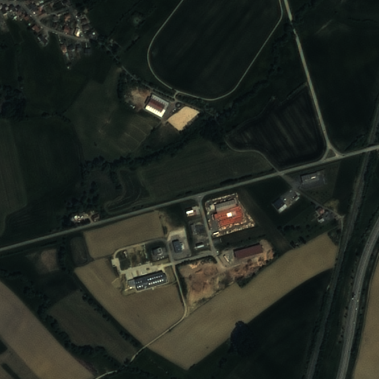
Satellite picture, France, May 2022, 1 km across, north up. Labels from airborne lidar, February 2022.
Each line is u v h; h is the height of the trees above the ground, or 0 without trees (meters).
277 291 0
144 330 0
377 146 0
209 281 0
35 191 0
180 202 0
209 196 0
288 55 0
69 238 0
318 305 0
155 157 16
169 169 0
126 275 0
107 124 0
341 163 0
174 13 0
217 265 0
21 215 0
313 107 0
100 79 0
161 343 0
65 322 0
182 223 0
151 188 0
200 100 7
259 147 0
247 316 0
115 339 0
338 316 0
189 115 0
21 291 0
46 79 0
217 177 0
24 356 0
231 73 0
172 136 0
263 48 0
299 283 0
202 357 0
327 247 0
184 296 0
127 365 13
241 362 0
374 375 0
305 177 0
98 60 0
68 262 0
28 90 0
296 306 0
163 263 0
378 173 0
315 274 0
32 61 0
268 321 0
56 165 0
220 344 0
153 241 0
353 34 0
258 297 0
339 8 0
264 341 0
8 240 0
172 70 0
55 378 0
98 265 0
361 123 0
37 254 0
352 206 0
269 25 0
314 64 0
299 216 0
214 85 0
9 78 0
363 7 0
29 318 0
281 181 0
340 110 0
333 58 0
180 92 0
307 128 0
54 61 0
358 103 0
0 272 11
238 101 13
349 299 0
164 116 0
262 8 0
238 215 0
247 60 0
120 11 0
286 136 0
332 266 0
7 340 0
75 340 0
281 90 0
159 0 0
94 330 0
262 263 0
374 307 0
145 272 0
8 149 0
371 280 0
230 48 0
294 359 0
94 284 0
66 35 0
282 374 0
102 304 0
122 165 17
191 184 0
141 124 0
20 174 0
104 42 13
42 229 0
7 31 0
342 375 0
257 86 15
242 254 0
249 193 0
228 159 0
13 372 0
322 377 0
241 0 0
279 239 0
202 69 0
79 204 21
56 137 0
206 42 0
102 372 0
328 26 0
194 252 0
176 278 0
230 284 0
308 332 0
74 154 0
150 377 18
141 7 0
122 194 0
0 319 0
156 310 0
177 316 0
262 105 0
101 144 0
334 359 0
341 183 0
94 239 0
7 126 0
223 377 0
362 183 0
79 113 0
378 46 0
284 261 0
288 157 0
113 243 0
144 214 0
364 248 0
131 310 0
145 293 0
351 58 0
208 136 35
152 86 10
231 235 0
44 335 0
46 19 0
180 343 0
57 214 0
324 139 0
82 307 0
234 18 0
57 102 0
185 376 0
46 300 20
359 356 0
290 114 0
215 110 6
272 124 0
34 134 0
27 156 0
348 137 0
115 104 0
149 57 0
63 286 0
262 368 0
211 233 0
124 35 0
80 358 0
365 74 0
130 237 0
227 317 0
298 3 0
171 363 0
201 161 0
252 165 0
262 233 0
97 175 0
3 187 0
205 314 0
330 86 0
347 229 0
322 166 0
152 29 0
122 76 10
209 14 0
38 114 0
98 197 9
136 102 0
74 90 0
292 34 14
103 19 0
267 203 0
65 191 0
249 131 0
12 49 0
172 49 0
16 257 0
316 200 0
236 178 0
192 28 0
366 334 0
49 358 0
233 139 0
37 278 0
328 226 0
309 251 0
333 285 0
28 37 0
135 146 0
